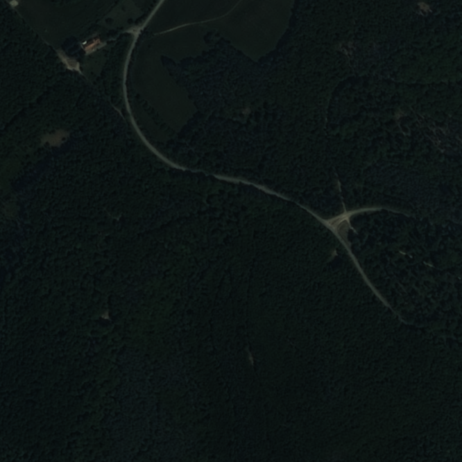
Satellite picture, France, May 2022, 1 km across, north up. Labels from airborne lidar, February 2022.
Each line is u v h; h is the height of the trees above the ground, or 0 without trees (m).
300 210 24
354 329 28
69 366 29
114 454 30
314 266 25
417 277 34
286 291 24
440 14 28
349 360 25
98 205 29
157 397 25
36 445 30
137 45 10
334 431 22
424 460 29
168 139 0
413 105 34
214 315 21
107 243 28
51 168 28
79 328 28
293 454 19
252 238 19
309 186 25
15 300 25
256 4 0
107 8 0
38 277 27
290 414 17
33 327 30
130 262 26
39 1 0
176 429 24
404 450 23
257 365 18
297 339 18
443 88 31
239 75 33
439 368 27
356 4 27
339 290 25
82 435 29
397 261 30
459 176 18
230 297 20
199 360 18
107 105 24
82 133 30
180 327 28
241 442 18
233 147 30
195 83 28
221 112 26
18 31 23
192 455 23
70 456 29
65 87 26
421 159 23
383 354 29
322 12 27
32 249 31
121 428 26
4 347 31
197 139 24
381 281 29
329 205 34
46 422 33
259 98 21
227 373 17
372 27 23
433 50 28
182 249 26
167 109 0
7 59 22
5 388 31
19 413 31
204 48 0
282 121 26
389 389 26
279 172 25
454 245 32
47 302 24
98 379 30
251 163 24
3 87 26
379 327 26
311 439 18
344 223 0
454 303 35
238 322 17
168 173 17
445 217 25
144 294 30
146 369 26
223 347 16
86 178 29
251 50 0
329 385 26
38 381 31
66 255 30
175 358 28
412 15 24
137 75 0
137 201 23
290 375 17
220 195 34
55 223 29
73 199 28
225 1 0
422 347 28
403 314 20
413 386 27
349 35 26
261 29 0
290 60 27
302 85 28
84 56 15
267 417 17
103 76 14
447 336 26
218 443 20
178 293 23
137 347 29
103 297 24
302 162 27
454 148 27
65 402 30
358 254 30
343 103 24
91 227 29
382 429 21
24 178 10
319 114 26
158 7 0
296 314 30
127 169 27
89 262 29
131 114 0
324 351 24
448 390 25
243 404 19
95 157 29
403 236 32
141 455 28
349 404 25
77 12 0
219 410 17
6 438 29
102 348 31
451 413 28
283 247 23
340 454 21
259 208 29
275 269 21
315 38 26
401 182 24
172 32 0
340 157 31
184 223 28
